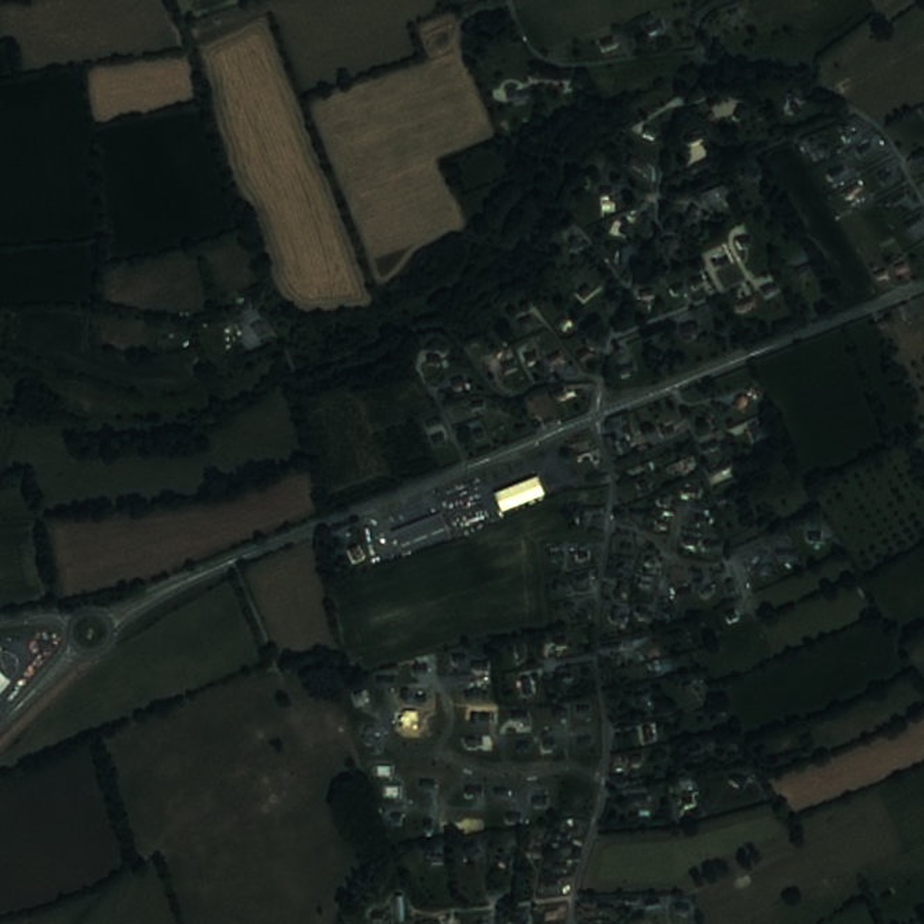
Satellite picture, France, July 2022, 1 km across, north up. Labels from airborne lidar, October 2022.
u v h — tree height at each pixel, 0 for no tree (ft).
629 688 19
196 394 0
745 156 60
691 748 24
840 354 0
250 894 0
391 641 0
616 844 0
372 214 0
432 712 0
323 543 52
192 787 0
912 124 0
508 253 17
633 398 0
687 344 0
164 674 0
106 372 0
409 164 0
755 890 0
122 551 0
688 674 41
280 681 0
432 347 26
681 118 52
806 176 0
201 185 0
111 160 0
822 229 0
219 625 0
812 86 47
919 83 0
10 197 0
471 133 0
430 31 0
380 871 82
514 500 0
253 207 53
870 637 0
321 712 0
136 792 0
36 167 0
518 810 0
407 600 0
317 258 0
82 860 0
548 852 58
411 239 0
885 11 0
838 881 0
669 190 43
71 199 0
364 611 0
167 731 0
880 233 0
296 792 0
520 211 58
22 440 0
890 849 0
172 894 37
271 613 0
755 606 0
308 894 0
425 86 0
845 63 0
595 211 0
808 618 0
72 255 0
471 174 0
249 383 0
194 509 0
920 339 0
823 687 0
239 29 0
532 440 0
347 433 0
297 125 0
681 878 0
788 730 45
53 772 0
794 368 0
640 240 23
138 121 31
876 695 56
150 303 0
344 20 0
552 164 72
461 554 0
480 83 32
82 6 0
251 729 0
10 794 0
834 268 0
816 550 0
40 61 0
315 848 0
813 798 0
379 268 0
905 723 53
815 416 0
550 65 36
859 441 0
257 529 0
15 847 0
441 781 0
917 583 0
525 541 0
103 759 52
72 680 0
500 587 0
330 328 26
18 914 22
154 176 0
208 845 0
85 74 22
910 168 0
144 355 66
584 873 0
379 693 0
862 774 0
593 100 94
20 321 0
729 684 41
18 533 0
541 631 21
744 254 0
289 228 0
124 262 45
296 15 0
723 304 18
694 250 31
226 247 0
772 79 68
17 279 0
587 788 0
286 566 0
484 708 0
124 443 73
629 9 0
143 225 0
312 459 56
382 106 0
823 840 0
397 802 0
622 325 47
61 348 0
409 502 0
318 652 47
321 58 0
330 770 0
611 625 0
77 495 0
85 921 0
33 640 0
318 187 0
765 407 54
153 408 0
